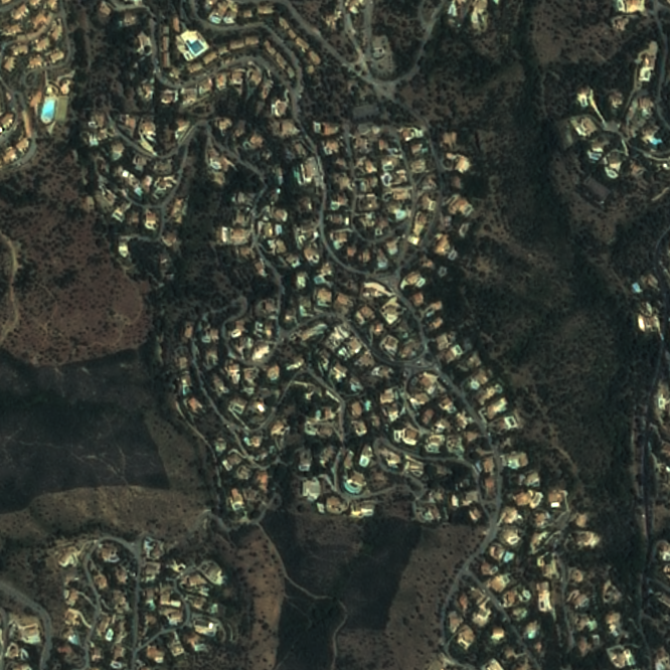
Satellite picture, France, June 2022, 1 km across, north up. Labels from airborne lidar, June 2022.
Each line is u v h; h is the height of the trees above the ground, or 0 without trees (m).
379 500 6
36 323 0
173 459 0
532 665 9
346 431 6
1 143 0
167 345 9
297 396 13
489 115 6
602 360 9
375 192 7
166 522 0
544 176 6
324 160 6
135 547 0
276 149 7
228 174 11
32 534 0
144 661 7
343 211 6
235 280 8
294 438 0
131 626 12
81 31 7
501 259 6
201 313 14
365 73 8
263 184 7
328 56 6
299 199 7
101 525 10
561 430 6
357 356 6
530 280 9
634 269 5
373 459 7
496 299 9
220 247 6
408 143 5
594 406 9
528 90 8
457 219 11
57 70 0
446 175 12
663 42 6
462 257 9
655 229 7
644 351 9
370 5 0
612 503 8
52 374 0
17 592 0
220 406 12
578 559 7
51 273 7
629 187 9
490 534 0
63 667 7
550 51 0
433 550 0
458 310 14
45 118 0
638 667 6
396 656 0
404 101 7
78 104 7
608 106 8
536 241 6
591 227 9
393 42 7
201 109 9
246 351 8
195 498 0
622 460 8
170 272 7
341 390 12
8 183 7
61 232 11
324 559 0
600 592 6
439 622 6
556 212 10
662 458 6
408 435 0
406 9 10
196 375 10
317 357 8
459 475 10
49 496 0
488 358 13
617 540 8
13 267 0
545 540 6
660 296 8
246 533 9
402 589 0
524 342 8
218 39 7
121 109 6
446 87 12
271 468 8
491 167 8
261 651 0
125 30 8
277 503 6
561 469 8
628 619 8
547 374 6
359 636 0
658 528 0
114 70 7
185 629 9
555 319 9
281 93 10
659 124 13
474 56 7
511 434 6
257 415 11
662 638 12
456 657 6
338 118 11
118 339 0
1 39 6
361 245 9
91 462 0
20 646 7
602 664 9
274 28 6
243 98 6
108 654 6
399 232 11
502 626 7
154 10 9
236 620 0
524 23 10
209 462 7
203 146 10
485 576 6
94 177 6
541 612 6
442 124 7
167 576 10
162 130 5
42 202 6
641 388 8
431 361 7
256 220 5
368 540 9
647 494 9
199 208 12
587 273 10
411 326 11
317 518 0
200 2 7
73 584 6
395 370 5
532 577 8
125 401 0
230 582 7
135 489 0
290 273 6
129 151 6
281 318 7
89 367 6
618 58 7
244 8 8
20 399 6
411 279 0
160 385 9
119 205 7
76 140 11
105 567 7
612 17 7
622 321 9
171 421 7
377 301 9
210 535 8
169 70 7
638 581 11
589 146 12
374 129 0
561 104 5
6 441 0
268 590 0
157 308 10
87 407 8
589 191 15
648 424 0
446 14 6
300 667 0
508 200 6
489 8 6
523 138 8
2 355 7
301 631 8
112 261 6
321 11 8
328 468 8
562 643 6
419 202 6
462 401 8
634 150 7
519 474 7
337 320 6
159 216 7
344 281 8
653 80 6
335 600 8
